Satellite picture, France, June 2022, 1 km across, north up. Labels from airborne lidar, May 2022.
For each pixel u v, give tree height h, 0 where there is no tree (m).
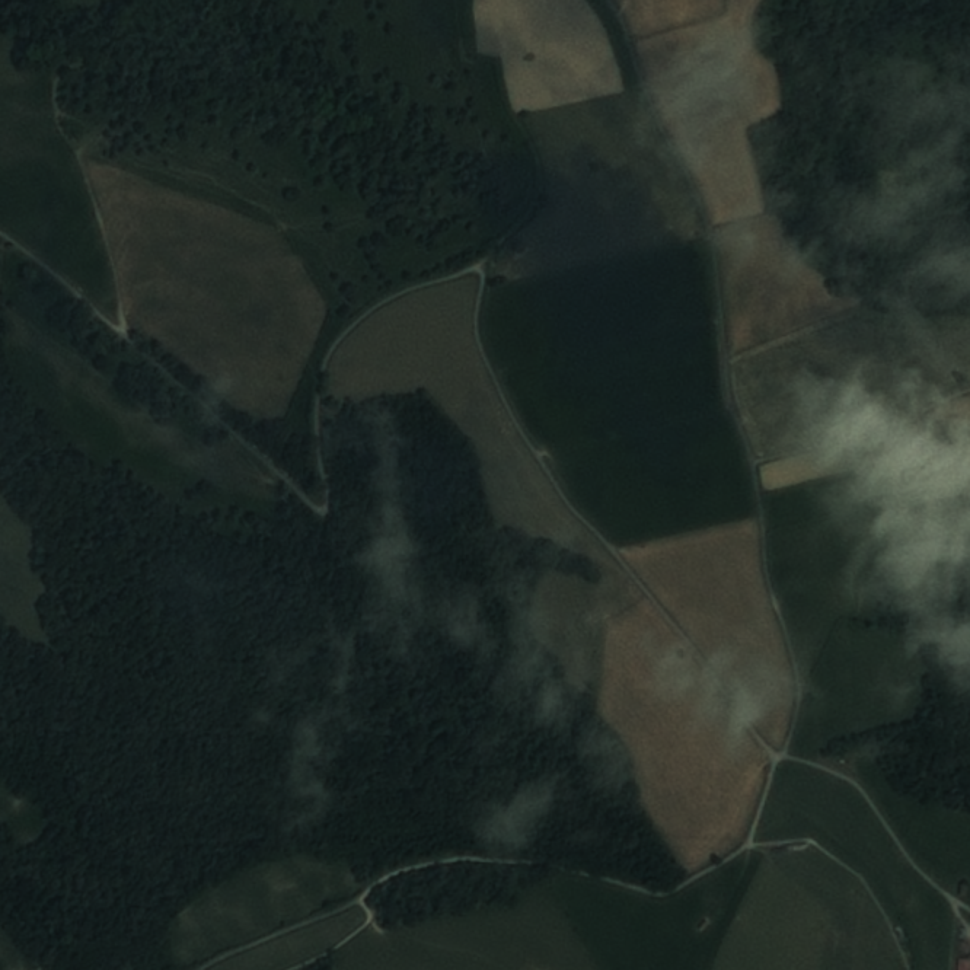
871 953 0
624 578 0
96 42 14
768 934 0
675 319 0
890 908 0
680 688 0
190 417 12
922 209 13
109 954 8
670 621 0
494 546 12
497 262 0
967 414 0
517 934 0
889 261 8
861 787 0
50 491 23
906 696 0
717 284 0
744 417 0
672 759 0
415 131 16
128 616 17
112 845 13
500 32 0
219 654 18
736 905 0
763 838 0
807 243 16
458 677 17
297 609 27
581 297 0
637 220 0
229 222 0
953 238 5
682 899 0
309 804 9
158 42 12
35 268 9
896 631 12
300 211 0
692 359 0
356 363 0
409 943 0
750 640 0
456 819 11
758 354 0
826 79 7
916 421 0
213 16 20
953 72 11
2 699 19
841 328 0
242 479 0
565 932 0
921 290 10
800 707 0
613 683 0
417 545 18
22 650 15
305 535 12
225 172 0
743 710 0
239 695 16
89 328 12
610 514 0
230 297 0
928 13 16
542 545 15
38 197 0
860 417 0
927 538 13
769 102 0
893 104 15
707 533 0
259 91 15
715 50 0
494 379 0
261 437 9
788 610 0
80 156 0
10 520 0
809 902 0
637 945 0
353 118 27
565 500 0
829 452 0
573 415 0
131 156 0
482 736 24
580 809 14
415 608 24
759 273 0
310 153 14
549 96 0
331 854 10
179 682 16
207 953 0
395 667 26
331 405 10
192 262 0
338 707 17
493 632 7
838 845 0
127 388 16
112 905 15
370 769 19
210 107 10
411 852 17
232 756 14
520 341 0
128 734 17
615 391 0
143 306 0
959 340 0
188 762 12
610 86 0
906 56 7
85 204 0
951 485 0
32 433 22
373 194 19
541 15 0
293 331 0
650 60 0
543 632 0
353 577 20
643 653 0
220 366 0
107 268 0
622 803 10
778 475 0
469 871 14
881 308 6
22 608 0
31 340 0
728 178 0
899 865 0
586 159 0
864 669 0
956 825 0
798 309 0
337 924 0
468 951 0
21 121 0
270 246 0
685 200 0
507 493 0
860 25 6
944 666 19
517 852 11
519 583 11
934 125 11
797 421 0
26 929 18
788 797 0
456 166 15
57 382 0
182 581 26
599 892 0
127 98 17
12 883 18
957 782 14
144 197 0
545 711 20
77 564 22
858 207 18
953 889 0
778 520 0
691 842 0
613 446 0
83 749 16
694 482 0
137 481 7
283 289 0
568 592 0
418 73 0
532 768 11
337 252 0
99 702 20
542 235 0
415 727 28
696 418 0
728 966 0
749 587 0
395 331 0
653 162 0
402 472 11
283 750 13
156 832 10
